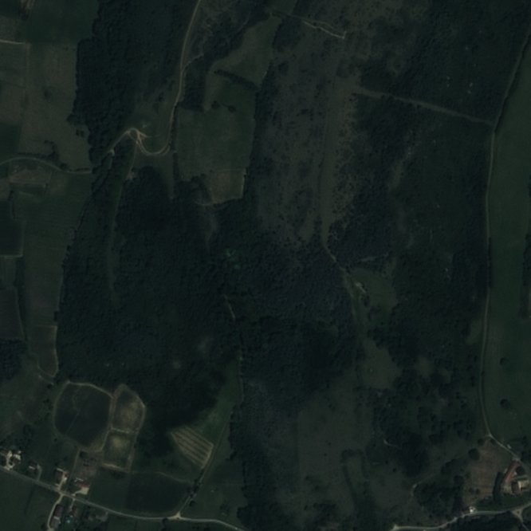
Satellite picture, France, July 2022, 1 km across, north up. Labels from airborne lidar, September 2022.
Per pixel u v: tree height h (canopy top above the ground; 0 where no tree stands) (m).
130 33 8
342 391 0
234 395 0
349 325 12
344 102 0
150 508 0
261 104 11
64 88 0
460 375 17
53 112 0
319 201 0
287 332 9
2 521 0
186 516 0
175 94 0
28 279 0
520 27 15
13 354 22
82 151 0
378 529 6
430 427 11
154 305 7
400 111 10
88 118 17
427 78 14
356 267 13
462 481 19
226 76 6
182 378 7
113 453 0
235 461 16
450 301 17
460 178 6
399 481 0
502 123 11
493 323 0
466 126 7
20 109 0
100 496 0
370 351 0
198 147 0
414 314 9
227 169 0
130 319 18
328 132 0
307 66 0
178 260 14
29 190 0
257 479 7
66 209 0
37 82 0
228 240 17
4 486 0
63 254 0
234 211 17
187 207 14
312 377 13
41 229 0
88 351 9
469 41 12
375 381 0
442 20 15
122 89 14
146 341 20
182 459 0
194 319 11
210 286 19
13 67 0
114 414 0
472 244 12
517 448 0
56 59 0
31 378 0
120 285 10
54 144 6
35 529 0
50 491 0
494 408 0
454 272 9
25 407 0
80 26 0
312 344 11
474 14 8
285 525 6
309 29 0
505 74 7
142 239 16
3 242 0
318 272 17
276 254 7
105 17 12
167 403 10
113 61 16
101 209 7
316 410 0
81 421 0
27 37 0
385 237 14
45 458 0
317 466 0
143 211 18
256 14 8
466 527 18
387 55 7
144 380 7
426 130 9
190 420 7
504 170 0
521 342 0
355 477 0
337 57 0
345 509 0
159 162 0
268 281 13
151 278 12
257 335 24
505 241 0
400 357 13
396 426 11
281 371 8
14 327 0
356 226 11
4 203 0
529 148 0
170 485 0
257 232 6
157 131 0
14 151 0
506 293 0
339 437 0
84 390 0
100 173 10
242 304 7
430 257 8
